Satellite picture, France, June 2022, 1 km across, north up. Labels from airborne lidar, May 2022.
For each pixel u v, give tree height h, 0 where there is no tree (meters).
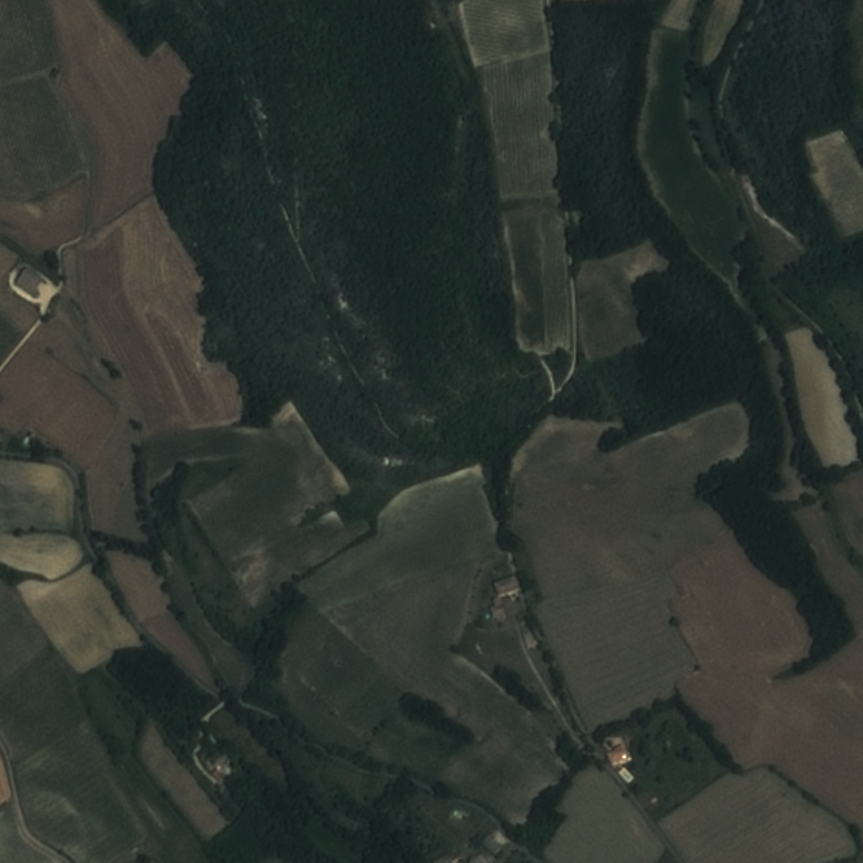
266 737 14
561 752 14
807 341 0
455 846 0
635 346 8
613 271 0
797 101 12
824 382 0
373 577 0
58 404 0
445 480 0
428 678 0
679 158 0
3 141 0
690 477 0
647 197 20
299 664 0
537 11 0
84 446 0
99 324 0
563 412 13
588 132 7
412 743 0
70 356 0
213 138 14
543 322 0
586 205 18
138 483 18
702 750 0
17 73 0
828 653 14
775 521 17
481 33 0
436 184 9
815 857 0
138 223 0
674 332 11
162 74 0
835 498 0
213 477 0
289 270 7
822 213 8
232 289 9
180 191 8
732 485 19
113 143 0
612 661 0
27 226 0
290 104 7
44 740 0
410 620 0
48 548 0
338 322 6
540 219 0
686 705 10
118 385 0
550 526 0
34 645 0
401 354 6
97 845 0
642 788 10
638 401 9
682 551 0
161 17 10
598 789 0
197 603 6
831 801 0
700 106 0
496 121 0
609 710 0
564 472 0
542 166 0
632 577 0
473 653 0
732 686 0
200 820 0
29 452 7
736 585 0
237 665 0
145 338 0
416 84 13
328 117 9
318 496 0
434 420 6
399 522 0
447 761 0
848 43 15
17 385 0
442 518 0
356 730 0
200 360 0
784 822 0
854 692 0
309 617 0
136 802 0
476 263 6
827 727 0
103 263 0
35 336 0
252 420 15
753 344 20
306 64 7
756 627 0
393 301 9
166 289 0
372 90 8
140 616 0
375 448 10
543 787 0
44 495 0
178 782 0
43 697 0
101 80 0
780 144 10
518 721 0
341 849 0
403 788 14
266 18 8
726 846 0
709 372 8
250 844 6
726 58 13
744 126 9
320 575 0
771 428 13
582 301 0
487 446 7
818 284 15
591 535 0
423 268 8
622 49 10
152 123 0
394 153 9
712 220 0
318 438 13
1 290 0
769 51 14
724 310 16
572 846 0
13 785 0
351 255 6
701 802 0
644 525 0
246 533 0
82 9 0
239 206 9
